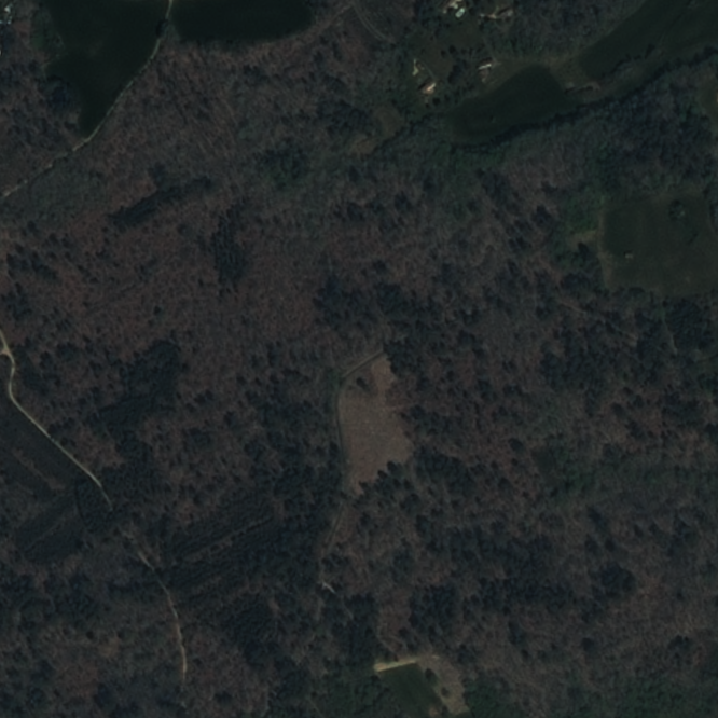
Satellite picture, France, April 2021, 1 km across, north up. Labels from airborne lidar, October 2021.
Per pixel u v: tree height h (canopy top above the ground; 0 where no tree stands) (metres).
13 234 17
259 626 11
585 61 0
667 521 21
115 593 14
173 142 23
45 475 7
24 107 9
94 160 6
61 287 8
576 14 26
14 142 11
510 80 0
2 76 16
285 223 8
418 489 16
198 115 11
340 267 6
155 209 10
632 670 19
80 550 8
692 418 30
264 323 9
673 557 22
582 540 13
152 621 10
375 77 14
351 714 17
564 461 23
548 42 21
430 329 14
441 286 14
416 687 0
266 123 12
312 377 8
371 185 14
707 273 0
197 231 9
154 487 17
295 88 16
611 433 22
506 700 19
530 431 13
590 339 16
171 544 10
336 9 11
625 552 13
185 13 0
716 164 18
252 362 8
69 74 0
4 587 7
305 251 9
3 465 7
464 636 10
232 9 0
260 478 17
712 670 9
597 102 0
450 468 27
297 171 24
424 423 29
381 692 17
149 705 18
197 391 16
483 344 14
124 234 9
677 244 0
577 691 17
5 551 9
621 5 20
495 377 6
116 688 18
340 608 25
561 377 32
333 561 7
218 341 10
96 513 17
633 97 13
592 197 24
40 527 6
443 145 17
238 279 11
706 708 24
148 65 13
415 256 13
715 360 10
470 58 11
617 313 10
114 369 15
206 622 8
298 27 0
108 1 0
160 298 9
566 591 15
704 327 16
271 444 15
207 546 10
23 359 12
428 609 17
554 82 0
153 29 0
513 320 21
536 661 18
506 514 13
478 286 16
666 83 19
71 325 16
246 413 22
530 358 11
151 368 11
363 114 13
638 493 17
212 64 17
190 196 11
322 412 20
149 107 17
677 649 18
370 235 14
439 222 18
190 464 7
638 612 14
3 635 11
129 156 9
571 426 9
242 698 11
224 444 9
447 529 13
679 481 23
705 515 18
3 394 7
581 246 0
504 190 23
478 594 15
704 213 0
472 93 13
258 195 12
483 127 0
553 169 17
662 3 0
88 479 10
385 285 10
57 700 9
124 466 8
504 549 23
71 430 19
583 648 10
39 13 7
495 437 14
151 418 16
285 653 18
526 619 12
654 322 15
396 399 0
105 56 0
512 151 24
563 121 9
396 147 15
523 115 0
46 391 9
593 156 25
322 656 19
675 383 17
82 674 17
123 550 7
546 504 18
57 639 14
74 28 0
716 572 25
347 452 0
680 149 21
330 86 29
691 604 14
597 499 24
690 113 16
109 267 8
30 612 26
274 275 6
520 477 26
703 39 0
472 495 26
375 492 14
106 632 15
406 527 17
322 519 26
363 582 10
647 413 28
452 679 0
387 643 12
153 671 16
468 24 0
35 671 15
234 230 12
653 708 24
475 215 29
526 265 9
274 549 17
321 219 9
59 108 18
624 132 21
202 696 13
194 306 12
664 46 0
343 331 11
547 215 17
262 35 0
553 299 24
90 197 9
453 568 9
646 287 0
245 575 22
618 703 19
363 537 20
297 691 28
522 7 18
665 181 16
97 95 0
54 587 19
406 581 12
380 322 19
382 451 0
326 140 12
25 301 19
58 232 5
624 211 0
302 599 14
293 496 23
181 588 8
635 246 0
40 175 6
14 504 12
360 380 0
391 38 8
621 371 31
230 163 11
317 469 14
